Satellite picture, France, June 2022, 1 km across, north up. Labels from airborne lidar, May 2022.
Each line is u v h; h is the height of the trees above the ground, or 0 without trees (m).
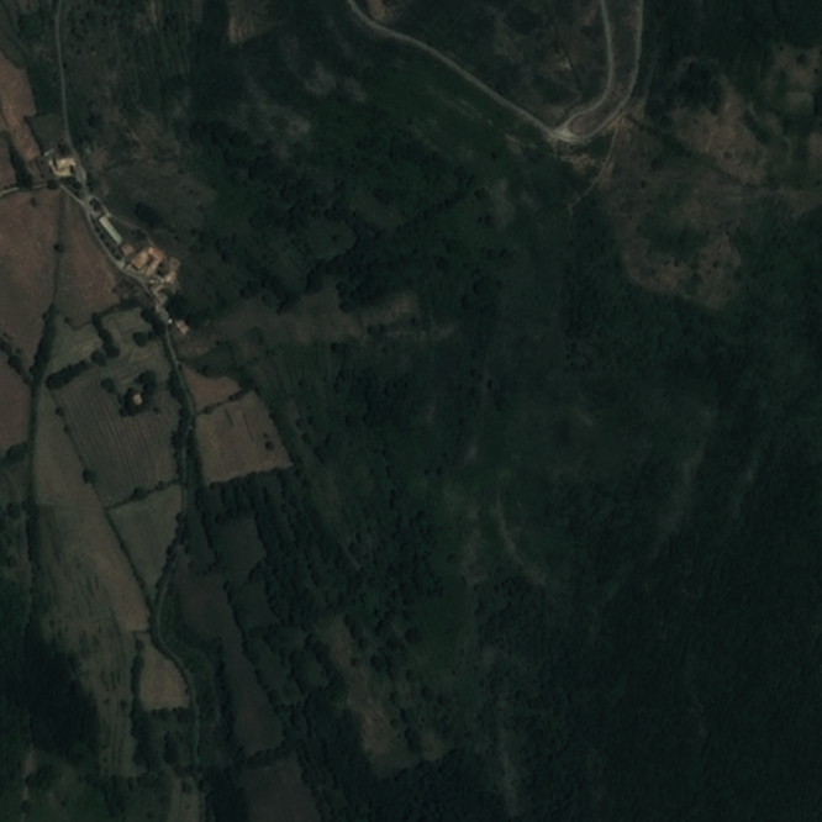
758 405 6
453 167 7
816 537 10
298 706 7
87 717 14
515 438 0
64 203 0
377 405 16
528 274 0
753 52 8
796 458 11
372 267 14
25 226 0
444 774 20
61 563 0
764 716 11
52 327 7
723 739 17
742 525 9
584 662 8
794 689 14
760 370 6
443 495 0
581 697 9
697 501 6
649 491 6
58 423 0
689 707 11
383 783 11
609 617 8
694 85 8
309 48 0
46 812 0
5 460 9
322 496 0
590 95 0
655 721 14
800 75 0
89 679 0
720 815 14
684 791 10
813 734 15
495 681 8
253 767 12
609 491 6
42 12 7
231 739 18
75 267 0
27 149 0
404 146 11
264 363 0
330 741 15
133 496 8
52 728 13
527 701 6
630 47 0
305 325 0
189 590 0
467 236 0
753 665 17
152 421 0
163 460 0
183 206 0
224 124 7
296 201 8
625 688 5
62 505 0
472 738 7
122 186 0
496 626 9
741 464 9
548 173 0
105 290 0
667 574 12
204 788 18
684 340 6
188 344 0
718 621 17
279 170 9
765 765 11
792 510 14
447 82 0
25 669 21
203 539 0
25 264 0
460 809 25
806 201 0
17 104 0
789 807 13
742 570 19
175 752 11
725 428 6
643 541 6
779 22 6
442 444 0
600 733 11
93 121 13
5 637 7
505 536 0
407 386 13
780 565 16
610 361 6
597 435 0
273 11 0
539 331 0
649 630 8
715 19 6
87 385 0
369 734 0
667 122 9
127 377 0
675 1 7
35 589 7
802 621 12
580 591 8
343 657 0
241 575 0
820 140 0
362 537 16
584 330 10
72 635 0
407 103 0
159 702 0
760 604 13
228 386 0
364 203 0
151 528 0
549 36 0
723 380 8
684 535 9
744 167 0
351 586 10
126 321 0
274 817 0
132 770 0
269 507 12
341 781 12
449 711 11
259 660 9
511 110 0
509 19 0
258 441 0
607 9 0
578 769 12
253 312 0
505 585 10
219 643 8
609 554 7
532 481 0
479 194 12
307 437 12
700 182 0
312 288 14
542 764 7
